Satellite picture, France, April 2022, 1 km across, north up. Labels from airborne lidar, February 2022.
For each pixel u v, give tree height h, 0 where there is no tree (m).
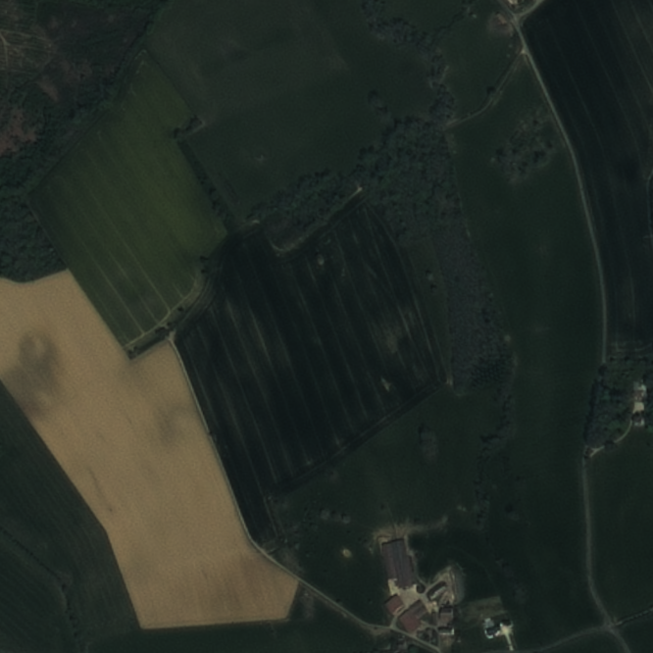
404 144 25
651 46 0
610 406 28
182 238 0
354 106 0
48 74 0
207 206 0
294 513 0
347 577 0
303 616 0
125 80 0
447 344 0
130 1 6
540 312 0
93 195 0
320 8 0
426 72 0
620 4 0
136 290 0
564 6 0
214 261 0
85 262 0
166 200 0
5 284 0
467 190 0
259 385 0
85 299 0
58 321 0
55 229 0
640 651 0
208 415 0
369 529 0
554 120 0
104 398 0
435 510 0
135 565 0
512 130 0
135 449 0
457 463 0
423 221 25
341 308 0
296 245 0
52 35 0
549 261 0
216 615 0
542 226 0
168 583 0
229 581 0
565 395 0
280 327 0
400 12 0
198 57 0
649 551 0
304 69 0
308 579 0
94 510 0
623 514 0
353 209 0
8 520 0
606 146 0
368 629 0
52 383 0
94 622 0
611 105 0
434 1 0
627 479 0
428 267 0
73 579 0
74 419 0
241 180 0
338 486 0
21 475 0
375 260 0
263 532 0
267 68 0
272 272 0
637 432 0
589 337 0
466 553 0
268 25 0
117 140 0
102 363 0
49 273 11
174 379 0
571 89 0
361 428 0
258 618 0
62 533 0
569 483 0
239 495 0
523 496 0
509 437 18
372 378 0
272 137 0
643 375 0
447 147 15
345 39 0
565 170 0
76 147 0
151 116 0
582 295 0
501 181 0
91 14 0
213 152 0
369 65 0
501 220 0
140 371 0
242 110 0
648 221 0
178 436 0
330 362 0
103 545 0
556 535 0
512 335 0
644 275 0
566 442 0
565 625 0
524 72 0
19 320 0
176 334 0
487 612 0
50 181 0
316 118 0
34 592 0
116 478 0
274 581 0
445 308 0
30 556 10
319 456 0
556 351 0
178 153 0
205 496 0
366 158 17
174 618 0
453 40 0
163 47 0
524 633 0
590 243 0
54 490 0
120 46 0
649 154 0
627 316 0
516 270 0
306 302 0
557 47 0
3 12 27
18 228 27
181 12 0
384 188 19
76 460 0
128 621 0
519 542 0
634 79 0
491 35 0
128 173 0
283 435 0
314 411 0
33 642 0
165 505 0
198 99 0
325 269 0
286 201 23
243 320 0
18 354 0
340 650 0
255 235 0
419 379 0
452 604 0
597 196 0
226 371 0
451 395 0
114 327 0
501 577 0
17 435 0
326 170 0
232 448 0
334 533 0
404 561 0
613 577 0
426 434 17
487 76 0
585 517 0
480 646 0
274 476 0
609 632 0
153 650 0
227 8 0
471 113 0
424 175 27
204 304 0
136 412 0
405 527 0
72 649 0
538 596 0
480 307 22
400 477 0
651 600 0
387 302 0
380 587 0
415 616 0
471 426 0
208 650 0
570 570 0
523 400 0
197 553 0
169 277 0
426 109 0
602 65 0
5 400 0
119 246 0
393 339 0
